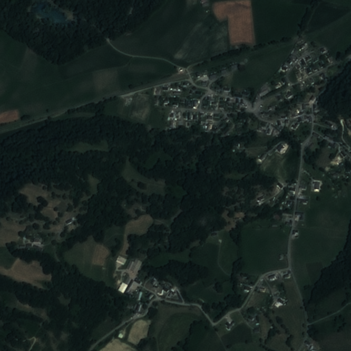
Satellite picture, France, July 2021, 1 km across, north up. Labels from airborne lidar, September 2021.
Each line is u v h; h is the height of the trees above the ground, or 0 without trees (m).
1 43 0
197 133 7
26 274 0
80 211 6
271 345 0
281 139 9
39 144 11
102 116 18
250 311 14
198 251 0
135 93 0
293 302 0
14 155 10
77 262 0
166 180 13
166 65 0
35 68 0
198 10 0
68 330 9
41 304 8
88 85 0
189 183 22
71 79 0
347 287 10
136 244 14
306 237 0
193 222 9
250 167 17
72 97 0
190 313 0
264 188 13
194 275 17
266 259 0
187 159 19
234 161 13
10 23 27
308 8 13
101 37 14
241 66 23
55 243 15
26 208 19
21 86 0
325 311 0
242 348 0
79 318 12
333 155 15
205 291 0
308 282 0
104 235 23
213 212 14
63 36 19
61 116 0
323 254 0
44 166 10
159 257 0
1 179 19
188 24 0
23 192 0
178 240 25
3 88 0
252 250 0
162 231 15
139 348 9
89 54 0
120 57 0
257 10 0
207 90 0
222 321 0
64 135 16
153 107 0
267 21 0
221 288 21
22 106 0
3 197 18
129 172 0
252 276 6
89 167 13
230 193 10
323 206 0
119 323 6
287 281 0
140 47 0
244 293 0
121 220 6
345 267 22
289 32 0
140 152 21
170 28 0
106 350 0
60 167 16
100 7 19
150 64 0
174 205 13
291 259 0
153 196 13
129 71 0
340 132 9
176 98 10
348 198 0
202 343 0
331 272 19
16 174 15
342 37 0
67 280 16
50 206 0
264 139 0
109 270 0
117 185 14
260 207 14
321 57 12
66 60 27
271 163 0
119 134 14
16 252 24
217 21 0
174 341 0
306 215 0
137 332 0
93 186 0
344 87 24
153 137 18
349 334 0
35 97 0
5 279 13
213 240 0
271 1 0
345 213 0
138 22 25
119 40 0
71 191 7
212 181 16
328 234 0
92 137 17
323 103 12
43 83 0
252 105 0
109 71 0
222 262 0
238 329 0
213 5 0
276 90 12
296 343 0
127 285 0
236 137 12
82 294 15
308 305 7
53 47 19
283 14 0
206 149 15
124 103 0
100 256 0
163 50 0
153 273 19
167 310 0
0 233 0
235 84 0
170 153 18
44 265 16
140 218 0
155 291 0
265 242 0
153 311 15
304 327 10
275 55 0
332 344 0
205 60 8
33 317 17
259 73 0
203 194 16
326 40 0
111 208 9
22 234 19
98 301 16
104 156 17
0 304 21
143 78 0
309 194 0
